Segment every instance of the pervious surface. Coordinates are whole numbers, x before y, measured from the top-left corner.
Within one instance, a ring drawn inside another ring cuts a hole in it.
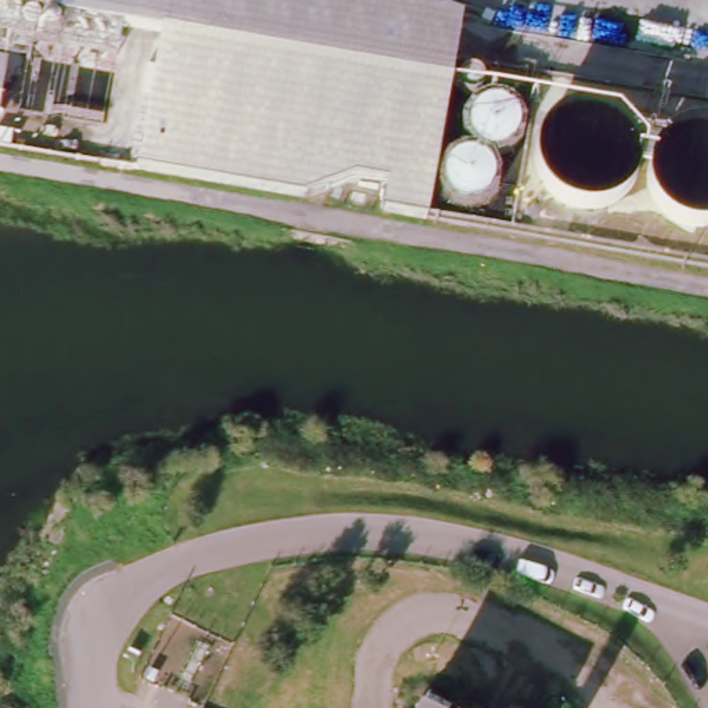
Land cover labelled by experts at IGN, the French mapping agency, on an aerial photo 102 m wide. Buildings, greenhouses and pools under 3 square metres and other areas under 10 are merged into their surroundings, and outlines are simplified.
[[[473,620],[467,636],[462,639],[459,650],[454,653],[448,667],[431,675],[429,691],[451,708],[667,708],[642,678],[636,678],[617,658],[622,650],[620,642],[608,636],[606,644],[589,642],[528,608],[506,603],[495,592],[484,595],[484,606]]]

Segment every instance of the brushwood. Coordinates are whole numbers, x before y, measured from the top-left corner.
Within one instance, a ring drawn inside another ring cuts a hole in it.
[[[644,528],[669,528],[675,534],[683,531],[697,548],[708,537],[708,492],[700,476],[689,478],[686,484],[667,484],[661,490],[653,487],[642,501],[633,501],[628,492],[597,490],[595,484],[584,487],[581,492],[570,487],[567,492],[548,495],[537,503],[556,503],[561,514],[572,512],[584,517],[633,523]]]
[[[19,667],[30,650],[33,628],[19,633],[14,628],[11,606],[25,603],[25,608],[33,614],[47,603],[47,595],[36,595],[33,586],[39,584],[39,578],[50,572],[64,548],[61,520],[66,517],[66,512],[91,503],[91,514],[102,517],[105,506],[122,492],[119,473],[130,467],[124,454],[116,454],[108,462],[100,462],[97,467],[80,465],[72,473],[72,478],[58,487],[55,503],[41,531],[28,534],[19,542],[17,553],[8,559],[8,564],[0,570],[0,675],[6,680],[14,678],[14,664]]]
[[[379,476],[387,481],[418,481],[426,487],[443,484],[462,492],[495,490],[503,501],[514,501],[523,506],[531,501],[528,484],[517,476],[520,467],[512,459],[495,459],[490,470],[473,470],[473,462],[448,459],[443,454],[429,454],[423,445],[404,443],[401,437],[390,434],[390,429],[379,420],[340,415],[340,423],[329,429],[321,420],[310,420],[299,409],[288,409],[282,418],[268,423],[260,412],[241,412],[235,420],[227,418],[224,434],[230,437],[230,448],[171,451],[169,459],[158,467],[155,481],[155,484],[166,492],[171,509],[180,512],[180,523],[185,525],[183,539],[196,539],[205,534],[205,512],[210,512],[218,501],[224,473],[252,465],[257,459],[279,459],[296,467],[324,473],[335,470]]]
[[[412,675],[401,680],[398,694],[404,700],[404,708],[418,708],[418,700],[429,691],[431,675]]]
[[[429,633],[415,642],[415,647],[445,644],[454,653],[459,650],[462,639],[456,633]]]

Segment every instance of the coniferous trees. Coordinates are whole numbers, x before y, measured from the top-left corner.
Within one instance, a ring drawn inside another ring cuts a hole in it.
[[[155,481],[144,470],[130,467],[119,473],[122,492],[130,506],[141,506],[141,492],[152,490],[155,484]]]

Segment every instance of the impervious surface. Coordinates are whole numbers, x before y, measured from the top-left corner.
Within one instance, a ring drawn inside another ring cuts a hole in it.
[[[451,592],[412,595],[407,600],[393,603],[357,650],[357,686],[348,708],[404,708],[404,700],[398,694],[401,680],[395,678],[395,667],[401,664],[404,650],[415,642],[429,633],[456,633],[462,639],[467,636],[473,620],[484,606],[484,595],[465,592],[454,586]]]
[[[335,252],[343,238],[373,238],[404,246],[476,254],[503,263],[542,266],[592,279],[628,282],[664,293],[708,299],[708,277],[675,277],[661,268],[606,260],[572,249],[534,246],[523,241],[490,238],[476,232],[395,224],[346,210],[324,210],[324,205],[221,194],[196,185],[160,183],[138,174],[102,174],[64,163],[0,155],[0,171],[113,188],[138,196],[216,207],[227,213],[246,213],[288,224],[296,241],[326,246],[329,252]]]
[[[324,553],[332,550],[335,542],[340,542],[354,556],[365,559],[404,561],[407,553],[423,553],[456,561],[481,559],[490,561],[495,570],[520,570],[531,578],[545,586],[581,595],[611,611],[633,614],[664,647],[664,653],[675,664],[678,678],[683,683],[689,680],[689,694],[700,702],[700,708],[708,708],[708,603],[691,595],[672,592],[667,586],[655,584],[620,572],[614,567],[597,567],[589,559],[570,553],[567,542],[561,539],[523,537],[495,525],[470,525],[434,514],[418,514],[409,509],[343,509],[205,534],[196,539],[183,539],[127,564],[94,564],[69,584],[61,608],[50,625],[50,664],[58,708],[205,708],[216,702],[216,686],[221,683],[221,672],[232,655],[232,644],[221,639],[218,631],[196,628],[194,622],[177,614],[166,614],[163,631],[152,633],[149,644],[141,647],[144,664],[136,672],[138,689],[122,691],[116,683],[119,653],[133,642],[141,617],[158,597],[180,586],[183,581],[279,556]]]
[[[661,188],[655,177],[655,144],[664,127],[675,124],[678,119],[708,119],[708,0],[456,0],[465,6],[465,19],[454,64],[445,130],[437,149],[431,207],[462,216],[487,216],[539,230],[559,230],[572,235],[592,235],[606,241],[708,257],[708,210],[680,205]],[[490,89],[506,89],[517,94],[523,105],[520,127],[501,147],[495,196],[487,205],[451,202],[445,196],[448,149],[456,141],[462,141],[467,130],[467,100],[481,97]],[[584,191],[559,180],[545,163],[542,127],[548,113],[567,94],[617,100],[642,124],[642,166],[620,185],[606,191]]]

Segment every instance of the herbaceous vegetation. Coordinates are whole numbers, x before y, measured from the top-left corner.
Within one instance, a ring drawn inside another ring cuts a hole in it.
[[[708,537],[697,548],[683,531],[675,534],[669,528],[644,528],[633,523],[584,517],[572,512],[561,514],[556,503],[537,503],[531,501],[523,506],[514,501],[503,501],[495,490],[462,492],[443,484],[426,487],[418,481],[387,481],[379,476],[335,470],[324,473],[296,467],[279,459],[257,459],[252,465],[224,473],[218,501],[210,512],[205,512],[205,534],[343,509],[409,509],[418,514],[434,514],[470,525],[495,525],[523,537],[561,539],[567,542],[570,553],[589,559],[597,567],[614,567],[620,572],[655,584],[664,578],[661,564],[678,556],[680,561],[686,561],[686,570],[667,586],[672,592],[691,595],[708,603]]]
[[[542,266],[503,263],[476,254],[404,246],[373,238],[343,238],[335,252],[346,257],[354,268],[368,274],[398,274],[470,296],[503,296],[514,301],[550,307],[592,307],[617,318],[653,318],[667,321],[672,326],[691,326],[708,335],[708,299],[664,293],[628,282],[592,279]]]
[[[61,608],[69,584],[94,564],[127,564],[183,539],[185,525],[180,523],[180,512],[171,509],[166,492],[155,484],[152,490],[141,492],[141,506],[130,506],[122,492],[105,506],[102,517],[91,514],[91,503],[66,512],[66,517],[61,520],[64,548],[50,572],[39,578],[39,584],[33,586],[36,595],[47,595],[47,603],[33,614],[33,628],[30,650],[19,667],[14,664],[14,678],[6,680],[0,675],[0,708],[58,708],[50,664],[50,625]]]
[[[462,216],[431,207],[379,207],[379,202],[354,202],[332,194],[290,196],[246,185],[147,171],[138,169],[136,160],[64,155],[22,144],[0,147],[0,155],[64,163],[102,174],[138,174],[160,183],[196,185],[221,194],[324,205],[324,210],[346,210],[395,224],[476,232],[490,238],[523,241],[534,246],[572,249],[606,260],[661,268],[675,277],[708,277],[708,257],[606,241],[592,235],[572,235],[559,230],[539,230],[487,216]]]
[[[606,644],[608,636],[620,642],[622,650],[617,658],[636,678],[642,678],[667,708],[700,708],[700,702],[689,694],[689,680],[683,683],[678,678],[675,664],[664,653],[664,647],[633,614],[611,611],[581,595],[545,586],[531,578],[528,586],[537,600],[528,608],[589,642]]]
[[[448,667],[454,653],[445,644],[415,647],[415,642],[404,650],[401,664],[395,667],[395,678],[401,680],[412,675],[431,675]]]
[[[288,224],[246,213],[227,213],[216,207],[138,196],[113,188],[0,171],[0,224],[100,249],[111,246],[119,235],[166,241],[224,241],[232,249],[296,241]]]
[[[141,647],[149,644],[152,633],[163,631],[166,614],[177,614],[194,622],[196,628],[218,631],[221,639],[232,644],[232,655],[221,672],[221,683],[216,686],[216,702],[205,708],[348,708],[357,686],[357,650],[393,603],[407,600],[412,595],[451,592],[454,586],[465,592],[467,586],[459,578],[451,578],[448,572],[448,564],[456,561],[423,553],[407,553],[404,561],[365,559],[354,556],[340,542],[335,542],[332,550],[324,553],[279,556],[183,581],[180,586],[158,597],[141,617],[133,642],[119,653],[116,683],[122,691],[138,689],[136,672],[144,664]],[[279,620],[277,614],[282,597],[301,600],[310,592],[313,575],[318,575],[324,567],[340,567],[343,581],[326,592],[326,608],[332,620],[326,622],[321,642],[299,647],[296,667],[288,678],[277,672],[266,675],[260,667],[266,628],[271,628]],[[382,589],[373,589],[373,586],[371,586],[371,589],[360,589],[360,586],[357,586],[357,575],[360,575],[360,572],[387,572],[387,575],[390,575],[390,581],[387,581],[387,584],[384,584]]]

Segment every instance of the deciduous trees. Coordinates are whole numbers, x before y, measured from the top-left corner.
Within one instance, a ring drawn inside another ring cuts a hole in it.
[[[25,603],[11,606],[14,628],[19,633],[33,628],[33,614],[25,608]]]
[[[531,501],[537,503],[548,495],[567,492],[570,487],[570,481],[564,481],[548,462],[520,467],[517,476],[528,484]]]
[[[266,628],[260,667],[266,675],[277,672],[288,678],[296,667],[299,647],[321,642],[326,622],[332,620],[326,608],[326,592],[343,581],[340,567],[324,567],[318,575],[313,575],[310,592],[301,600],[282,597],[277,614],[279,620],[271,628]]]
[[[357,586],[360,586],[360,589],[371,589],[371,586],[373,586],[373,589],[382,589],[384,584],[387,584],[387,581],[390,581],[390,575],[387,575],[387,572],[360,572],[360,575],[357,575]]]
[[[678,556],[661,564],[664,578],[655,584],[667,586],[686,570],[686,561],[680,561]]]
[[[448,564],[448,572],[451,578],[459,578],[467,586],[465,592],[484,595],[495,592],[506,603],[528,608],[537,600],[528,586],[531,578],[520,570],[495,570],[490,561],[481,559],[456,561]]]

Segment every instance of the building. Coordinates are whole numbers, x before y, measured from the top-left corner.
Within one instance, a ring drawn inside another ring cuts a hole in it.
[[[481,97],[467,100],[467,130],[462,141],[456,141],[448,149],[445,196],[451,202],[487,205],[495,196],[501,147],[520,127],[523,105],[517,94],[506,89],[490,89]]]
[[[418,700],[418,708],[451,708],[429,691]]]
[[[332,194],[354,202],[379,202],[379,207],[431,207],[437,149],[445,130],[454,64],[465,19],[465,6],[456,0],[0,0],[0,147],[22,144],[64,155],[136,160],[138,169],[147,171],[246,185],[290,196]]]

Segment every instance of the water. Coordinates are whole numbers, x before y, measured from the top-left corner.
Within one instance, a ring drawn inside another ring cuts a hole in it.
[[[642,124],[617,100],[567,94],[548,113],[542,127],[545,163],[559,180],[584,191],[606,191],[620,185],[642,166]]]
[[[58,487],[72,478],[72,473],[80,465],[97,467],[100,462],[108,462],[116,454],[124,454],[130,467],[144,470],[155,481],[158,467],[169,459],[171,451],[230,448],[230,437],[224,434],[227,418],[235,420],[241,412],[260,412],[268,423],[282,418],[288,409],[299,409],[310,420],[321,420],[329,429],[340,423],[340,415],[379,420],[390,429],[390,434],[401,437],[404,443],[423,445],[429,454],[443,454],[448,459],[473,462],[473,470],[490,470],[495,459],[512,459],[520,467],[548,462],[564,481],[570,481],[570,487],[581,492],[584,487],[595,484],[597,490],[628,492],[633,501],[642,501],[653,487],[661,490],[667,484],[686,484],[689,478],[700,476],[708,492],[708,335],[691,326],[672,326],[667,321],[653,318],[617,318],[592,307],[550,307],[514,301],[503,296],[470,296],[398,274],[368,274],[354,268],[346,257],[335,252],[329,252],[326,246],[296,241],[232,249],[224,241],[166,241],[119,235],[111,246],[100,249],[0,224],[0,570],[8,564],[8,559],[17,553],[19,542],[28,534],[41,531],[55,503]]]
[[[664,127],[655,144],[655,177],[661,188],[680,205],[708,210],[708,119],[678,119],[675,124]]]

